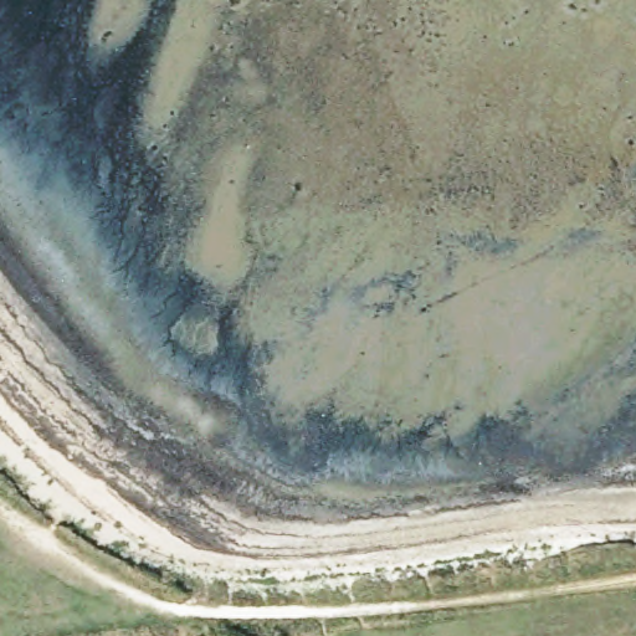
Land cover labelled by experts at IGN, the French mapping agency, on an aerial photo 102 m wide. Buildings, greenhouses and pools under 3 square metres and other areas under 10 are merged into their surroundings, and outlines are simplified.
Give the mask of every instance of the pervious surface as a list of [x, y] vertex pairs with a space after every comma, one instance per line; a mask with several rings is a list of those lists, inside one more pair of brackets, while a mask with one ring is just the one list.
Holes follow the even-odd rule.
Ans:
[[189, 601], [161, 601], [99, 571], [97, 566], [80, 559], [72, 549], [60, 544], [55, 534], [47, 527], [35, 524], [32, 519], [15, 512], [5, 499], [0, 499], [0, 522], [5, 522], [15, 534], [25, 537], [32, 547], [52, 554], [55, 559], [60, 559], [77, 574], [87, 576], [89, 581], [112, 589], [119, 596], [142, 604], [157, 614], [169, 616], [236, 621], [335, 619], [636, 586], [636, 574], [599, 576], [499, 594], [360, 604], [199, 606]]

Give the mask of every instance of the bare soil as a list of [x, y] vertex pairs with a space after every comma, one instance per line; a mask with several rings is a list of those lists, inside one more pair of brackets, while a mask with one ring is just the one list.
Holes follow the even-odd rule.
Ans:
[[539, 559], [554, 557], [564, 549], [574, 549], [579, 544], [604, 539], [636, 539], [636, 0], [0, 0], [0, 457], [12, 472], [17, 472], [25, 479], [30, 497], [50, 507], [52, 519], [47, 527], [55, 534], [62, 519], [72, 519], [102, 544], [124, 542], [124, 554], [184, 574], [191, 591], [186, 596], [189, 601], [199, 606], [360, 604], [355, 599], [353, 584], [368, 576], [373, 581], [398, 581], [410, 579], [415, 574], [435, 571], [437, 576], [452, 576], [452, 566], [470, 564], [475, 566], [477, 576], [497, 579], [499, 559], [524, 559], [527, 569], [534, 569]]

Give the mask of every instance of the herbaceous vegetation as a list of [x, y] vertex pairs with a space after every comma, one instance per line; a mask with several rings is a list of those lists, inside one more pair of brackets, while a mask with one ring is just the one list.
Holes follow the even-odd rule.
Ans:
[[184, 574], [124, 554], [124, 542], [102, 544], [72, 519], [62, 519], [55, 534], [60, 544], [72, 549], [80, 559], [97, 566], [99, 571], [161, 601], [189, 601], [186, 596], [191, 591]]
[[398, 581], [373, 581], [368, 576], [353, 584], [355, 599], [360, 604], [499, 594], [599, 576], [636, 574], [636, 539], [604, 539], [579, 544], [574, 549], [564, 549], [554, 557], [539, 559], [534, 569], [527, 569], [524, 559], [499, 559], [497, 579], [477, 576], [475, 566], [470, 564], [452, 566], [452, 576], [437, 576], [435, 571], [415, 574], [410, 579]]
[[25, 479], [17, 472], [12, 472], [0, 457], [0, 499], [5, 499], [15, 512], [32, 519], [35, 524], [47, 527], [52, 519], [50, 507], [30, 497]]
[[5, 522], [0, 522], [0, 636], [636, 636], [636, 586], [335, 619], [236, 621], [169, 616], [157, 614], [142, 604], [119, 596], [112, 589], [89, 581], [87, 576], [77, 574], [60, 559], [55, 559], [52, 554], [32, 547], [25, 537], [15, 534]]

